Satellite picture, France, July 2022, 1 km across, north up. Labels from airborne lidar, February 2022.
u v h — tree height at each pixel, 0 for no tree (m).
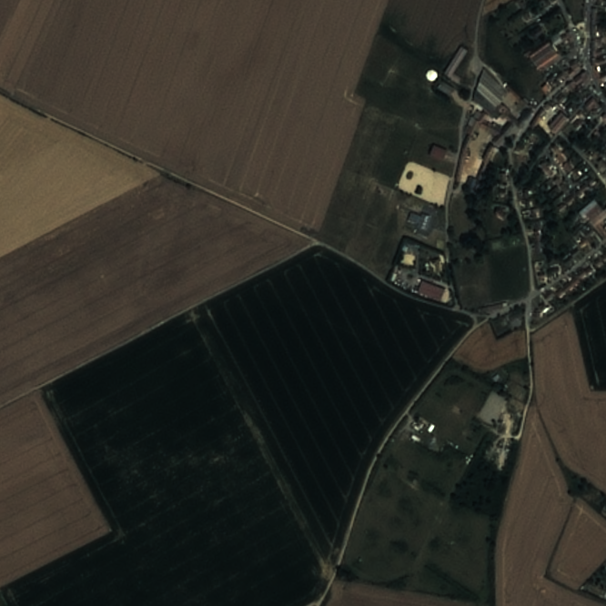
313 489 0
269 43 0
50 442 0
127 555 0
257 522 0
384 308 0
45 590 0
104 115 0
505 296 0
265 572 0
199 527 0
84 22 0
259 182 0
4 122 0
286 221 0
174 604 0
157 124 0
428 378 0
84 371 0
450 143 0
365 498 0
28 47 0
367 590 0
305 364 0
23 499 0
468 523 0
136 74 0
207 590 0
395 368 0
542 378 0
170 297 0
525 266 0
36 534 0
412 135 0
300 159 0
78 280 0
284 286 0
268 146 0
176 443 0
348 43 0
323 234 0
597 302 0
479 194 15
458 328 0
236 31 0
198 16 0
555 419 0
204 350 0
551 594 0
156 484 0
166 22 0
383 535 0
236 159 0
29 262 0
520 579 0
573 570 0
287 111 0
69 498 0
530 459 0
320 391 0
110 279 0
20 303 0
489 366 0
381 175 0
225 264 0
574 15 0
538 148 15
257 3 0
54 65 0
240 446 0
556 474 0
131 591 0
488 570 0
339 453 0
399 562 0
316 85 0
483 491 0
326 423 0
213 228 0
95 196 0
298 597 0
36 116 0
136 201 0
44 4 0
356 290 0
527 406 0
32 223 0
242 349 0
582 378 0
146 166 0
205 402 0
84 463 0
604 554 0
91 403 0
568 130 0
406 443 0
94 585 0
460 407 0
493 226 0
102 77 0
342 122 0
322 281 0
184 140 0
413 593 0
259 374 0
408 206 0
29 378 0
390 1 0
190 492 0
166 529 0
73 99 0
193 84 0
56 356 0
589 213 0
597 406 0
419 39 0
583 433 0
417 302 0
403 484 0
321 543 0
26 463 0
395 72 0
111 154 0
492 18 10
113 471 0
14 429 0
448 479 0
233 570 0
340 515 0
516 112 0
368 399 0
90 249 0
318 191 0
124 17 0
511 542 0
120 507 0
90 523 0
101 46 0
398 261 6
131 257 0
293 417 0
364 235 0
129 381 0
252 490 0
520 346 0
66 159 0
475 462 0
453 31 0
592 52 0
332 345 0
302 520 0
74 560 0
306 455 0
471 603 0
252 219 0
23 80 0
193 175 0
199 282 0
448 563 0
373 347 0
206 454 0
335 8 0
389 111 0
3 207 0
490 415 0
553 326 0
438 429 0
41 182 0
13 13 0
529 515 0
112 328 0
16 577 0
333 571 0
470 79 0
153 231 0
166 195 0
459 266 9
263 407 0
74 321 0
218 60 0
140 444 0
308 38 0
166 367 0
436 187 0
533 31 9
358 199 0
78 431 0
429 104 0
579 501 0
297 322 0
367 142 0
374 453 0
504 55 0
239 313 0
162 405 0
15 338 0
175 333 0
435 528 0
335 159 0
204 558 0
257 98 0
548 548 0
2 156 0
